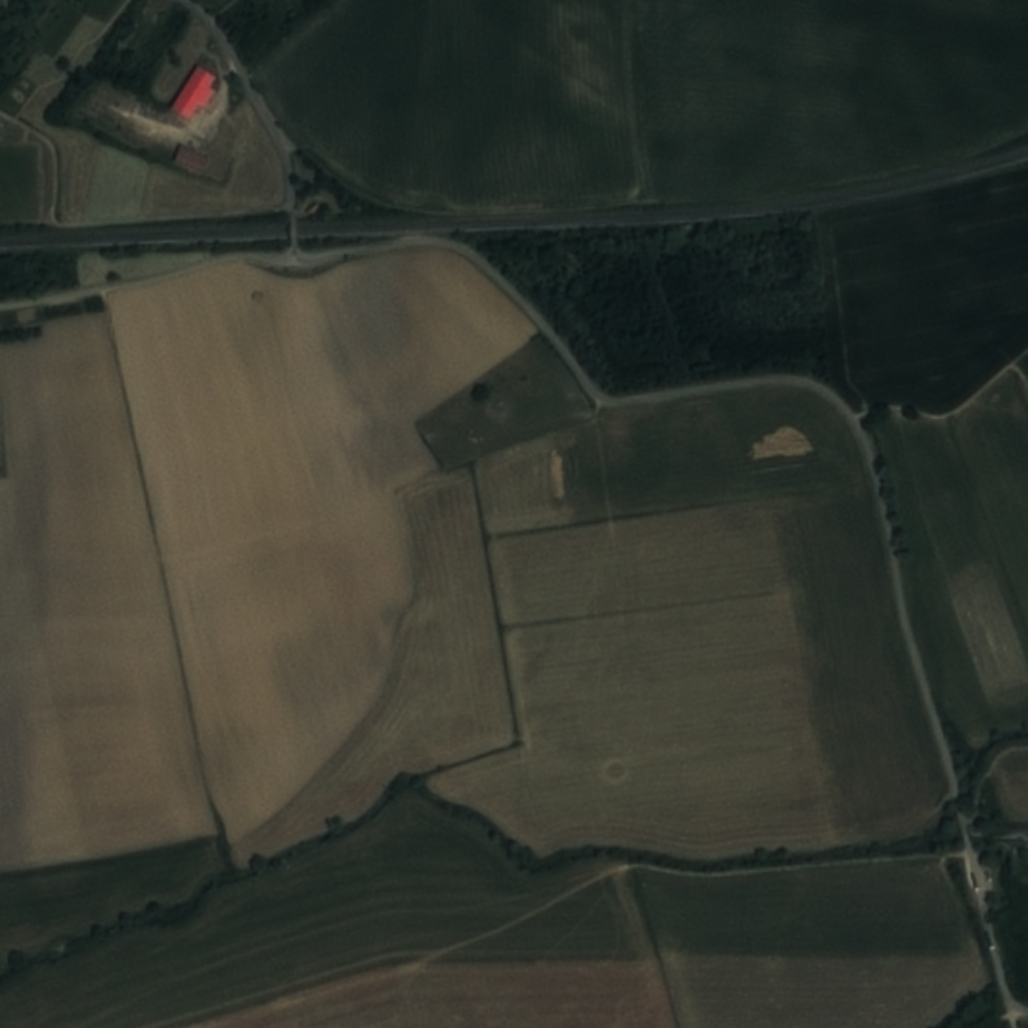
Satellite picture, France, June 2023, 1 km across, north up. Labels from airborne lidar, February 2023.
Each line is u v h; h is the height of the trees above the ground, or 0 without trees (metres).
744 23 0
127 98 0
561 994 0
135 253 8
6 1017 0
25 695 0
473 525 0
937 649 0
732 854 0
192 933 0
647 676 0
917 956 0
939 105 0
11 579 0
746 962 0
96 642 0
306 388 0
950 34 0
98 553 0
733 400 0
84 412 0
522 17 0
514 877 0
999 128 0
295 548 0
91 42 0
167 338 0
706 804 0
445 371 0
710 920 0
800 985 0
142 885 0
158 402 0
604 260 12
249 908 0
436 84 0
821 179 0
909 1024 0
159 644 0
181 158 0
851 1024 0
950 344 0
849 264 0
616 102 0
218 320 0
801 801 0
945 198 0
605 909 0
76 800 0
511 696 0
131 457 0
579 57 0
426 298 0
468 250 0
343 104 0
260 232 0
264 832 0
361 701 0
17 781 0
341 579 0
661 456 0
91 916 0
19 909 0
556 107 0
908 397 0
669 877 0
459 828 0
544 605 0
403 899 0
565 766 0
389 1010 0
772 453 0
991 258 0
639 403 0
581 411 0
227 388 0
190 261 0
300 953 0
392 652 0
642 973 0
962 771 14
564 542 0
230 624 0
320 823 0
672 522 0
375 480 0
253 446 0
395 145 0
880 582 0
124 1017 0
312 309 0
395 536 0
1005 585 0
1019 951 0
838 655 0
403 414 0
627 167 0
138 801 0
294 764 0
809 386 0
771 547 0
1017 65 0
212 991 0
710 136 0
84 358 0
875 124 0
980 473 0
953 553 0
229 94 0
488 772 0
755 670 0
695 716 0
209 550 0
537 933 0
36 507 0
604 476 0
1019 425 0
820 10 0
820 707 0
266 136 0
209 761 0
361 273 0
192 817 0
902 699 0
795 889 0
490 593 0
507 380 0
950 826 14
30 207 0
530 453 0
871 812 0
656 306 17
